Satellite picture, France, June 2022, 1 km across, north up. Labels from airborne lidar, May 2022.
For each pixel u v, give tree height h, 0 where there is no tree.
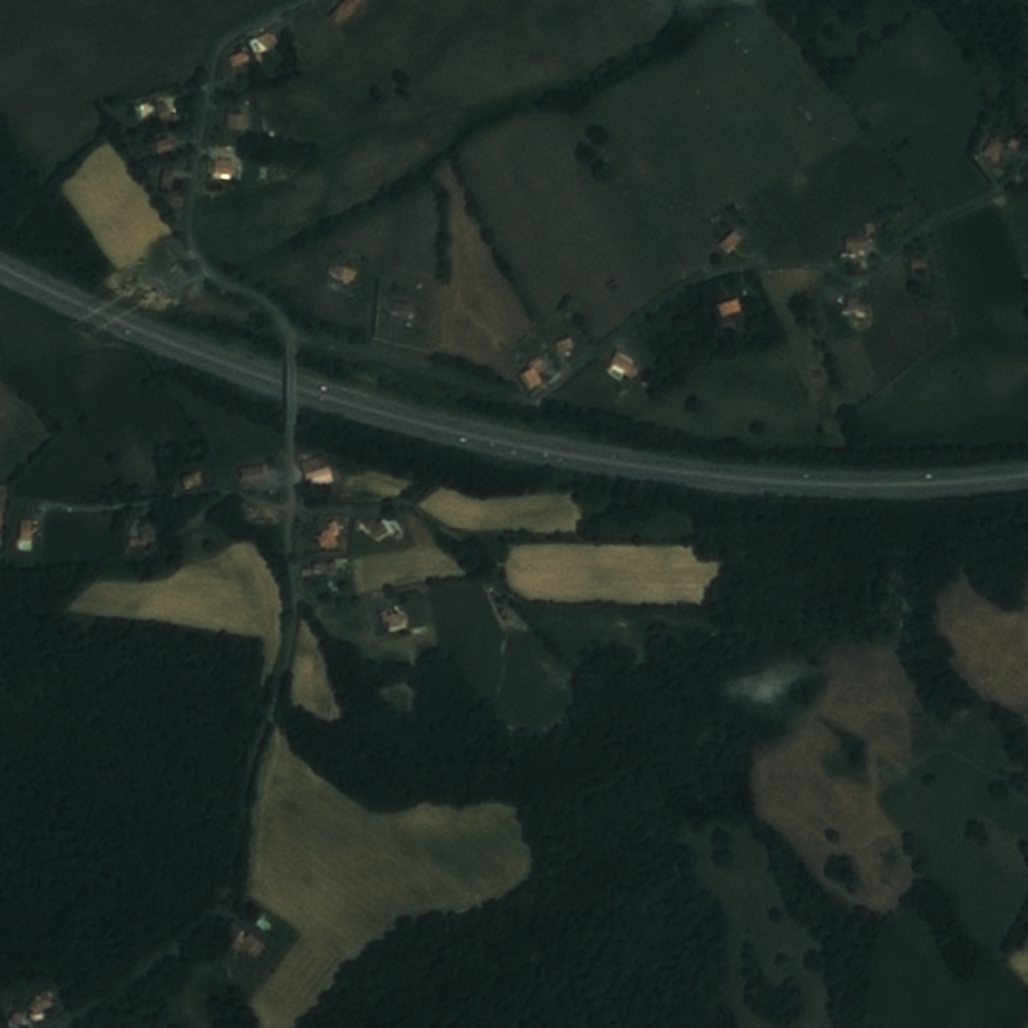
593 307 0
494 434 0
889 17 0
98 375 0
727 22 0
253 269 0
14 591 23
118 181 0
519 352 0
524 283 0
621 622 0
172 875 20
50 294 0
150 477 0
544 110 10
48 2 0
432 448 8
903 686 0
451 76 0
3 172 19
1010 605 18
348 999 19
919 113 0
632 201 0
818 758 0
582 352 0
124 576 12
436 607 0
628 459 0
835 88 9
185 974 18
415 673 16
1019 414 0
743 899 0
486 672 0
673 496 16
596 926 26
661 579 0
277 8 0
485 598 0
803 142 0
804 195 0
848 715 0
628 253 0
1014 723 17
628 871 20
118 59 0
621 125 0
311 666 0
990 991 0
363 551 0
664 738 25
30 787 20
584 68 0
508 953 17
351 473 0
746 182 0
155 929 20
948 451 15
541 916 19
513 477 14
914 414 0
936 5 22
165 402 0
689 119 0
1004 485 0
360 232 0
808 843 0
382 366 0
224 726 20
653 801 25
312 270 0
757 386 0
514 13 0
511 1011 23
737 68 0
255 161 21
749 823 18
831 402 0
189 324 12
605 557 0
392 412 0
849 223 0
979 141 7
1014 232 0
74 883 28
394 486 0
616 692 21
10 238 12
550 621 0
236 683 22
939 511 13
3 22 0
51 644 19
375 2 0
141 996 18
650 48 8
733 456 11
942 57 0
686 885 21
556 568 0
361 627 0
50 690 16
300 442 11
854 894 12
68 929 25
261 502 0
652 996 17
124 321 0
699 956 25
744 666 29
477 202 7
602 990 19
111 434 0
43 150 0
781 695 26
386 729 27
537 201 0
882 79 0
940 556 25
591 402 0
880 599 23
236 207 0
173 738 20
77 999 17
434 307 0
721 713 21
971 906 0
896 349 0
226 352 0
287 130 0
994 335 0
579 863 24
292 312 6
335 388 0
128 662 23
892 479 0
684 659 12
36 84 0
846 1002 19
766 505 17
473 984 18
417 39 0
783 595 26
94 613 0
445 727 25
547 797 11
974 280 0
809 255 0
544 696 0
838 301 0
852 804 0
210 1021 0
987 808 0
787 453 11
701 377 0
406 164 0
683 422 0
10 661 16
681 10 13
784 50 0
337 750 21
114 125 10
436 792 17
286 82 10
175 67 0
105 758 21
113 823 24
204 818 12
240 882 12
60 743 18
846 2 24
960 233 0
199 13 0
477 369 7
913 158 0
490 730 15
